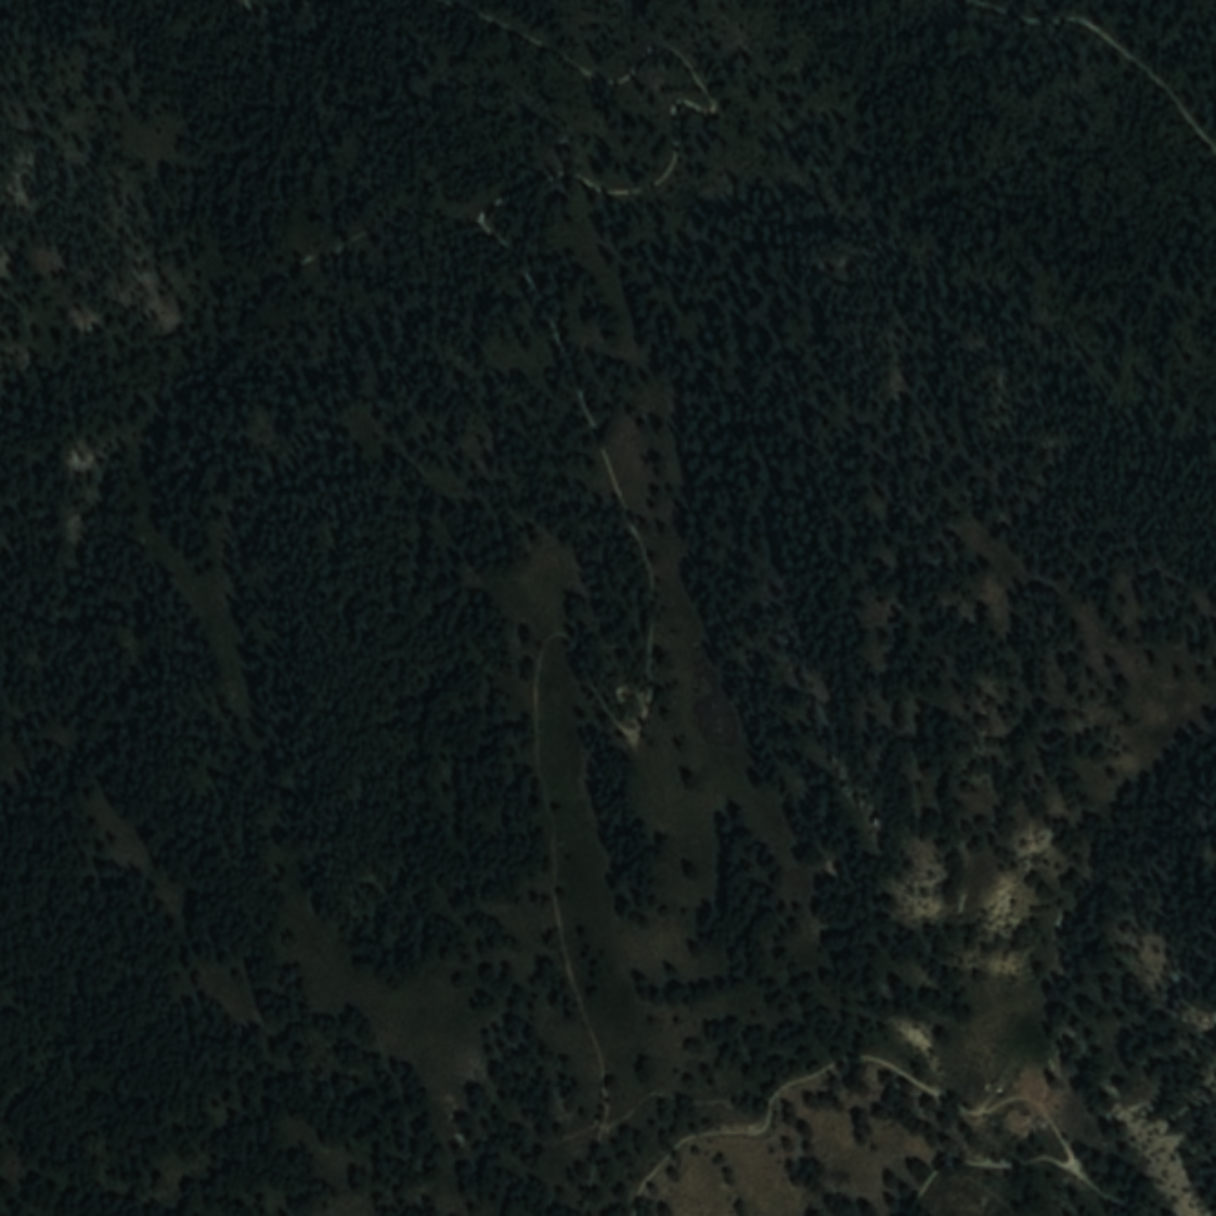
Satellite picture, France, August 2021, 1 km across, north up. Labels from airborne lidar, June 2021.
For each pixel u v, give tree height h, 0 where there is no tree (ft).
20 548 94
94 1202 65
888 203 25
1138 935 19
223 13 42
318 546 69
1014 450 46
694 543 73
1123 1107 0
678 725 0
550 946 25
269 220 55
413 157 22
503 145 29
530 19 36
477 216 0
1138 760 0
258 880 80
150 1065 74
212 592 0
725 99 22
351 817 66
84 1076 62
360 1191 69
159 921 65
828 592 55
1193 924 49
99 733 76
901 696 49
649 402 0
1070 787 71
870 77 29
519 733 75
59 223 58
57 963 68
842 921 58
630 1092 0
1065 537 45
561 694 0
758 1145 0
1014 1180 52
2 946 74
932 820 66
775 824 0
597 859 0
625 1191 40
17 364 29
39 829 69
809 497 67
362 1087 54
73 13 27
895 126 22
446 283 21
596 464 59
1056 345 91
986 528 61
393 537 47
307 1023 45
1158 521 40
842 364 64
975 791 32
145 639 74
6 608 21
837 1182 0
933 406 82
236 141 26
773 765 79
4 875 65
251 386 46
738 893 67
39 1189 69
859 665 58
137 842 0
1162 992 26
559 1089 23
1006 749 66
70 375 37
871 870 65
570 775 0
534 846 47
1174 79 27
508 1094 34
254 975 66
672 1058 0
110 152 60
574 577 0
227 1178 52
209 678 82
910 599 64
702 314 76
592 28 19
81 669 78
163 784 62
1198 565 43
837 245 35
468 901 66
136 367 68
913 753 31
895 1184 65
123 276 42
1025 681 31
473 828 50
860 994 50
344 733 70
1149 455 87
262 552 58
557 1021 0
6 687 50
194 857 62
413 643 68
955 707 0
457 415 69
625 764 75
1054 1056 0
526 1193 52
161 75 53
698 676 0
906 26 21
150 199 36
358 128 44
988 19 21
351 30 46
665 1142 42
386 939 72
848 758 45
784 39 28
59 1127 70
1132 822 65
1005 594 0
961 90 39
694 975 0
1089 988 53
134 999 75
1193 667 0
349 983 0
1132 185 19
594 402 72
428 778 84
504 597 0
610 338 55
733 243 81
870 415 38
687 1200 0
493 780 50
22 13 35
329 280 21
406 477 74
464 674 58
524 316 83
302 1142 0
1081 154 27
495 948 66
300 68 39
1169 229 22
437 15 29
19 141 33
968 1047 0
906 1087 56
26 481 57
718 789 0
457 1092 0
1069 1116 0
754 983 34
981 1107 0
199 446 74
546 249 50
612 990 0
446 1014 0
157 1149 74
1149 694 0
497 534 77
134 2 33
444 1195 0
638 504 0
